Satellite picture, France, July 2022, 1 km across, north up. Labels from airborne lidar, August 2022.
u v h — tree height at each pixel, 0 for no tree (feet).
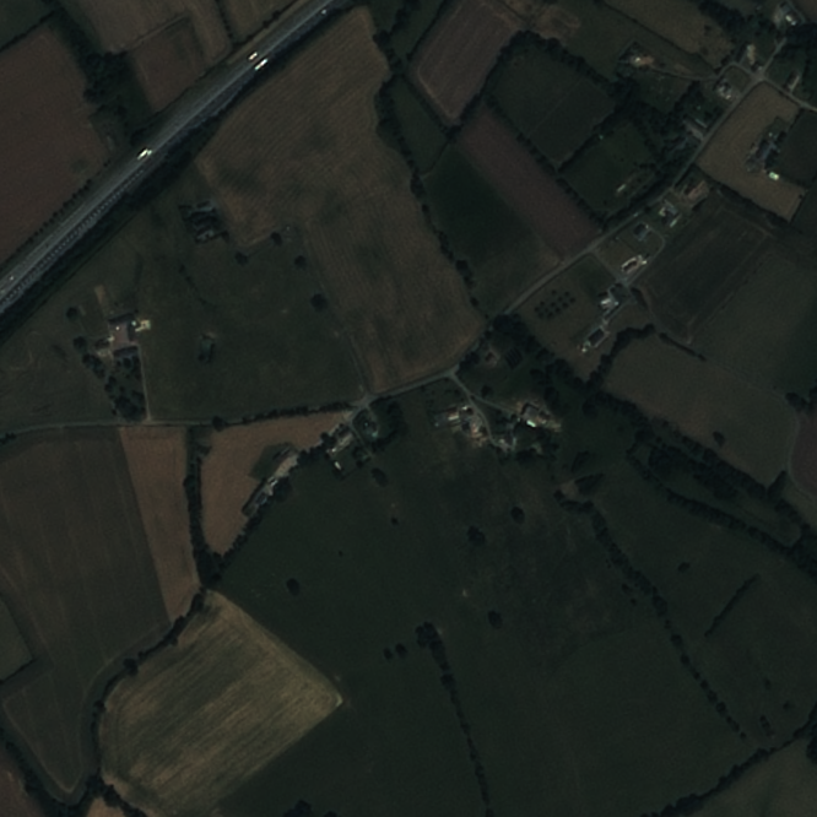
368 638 0
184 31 0
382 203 0
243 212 0
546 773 0
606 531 37
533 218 0
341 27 0
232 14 0
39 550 0
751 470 0
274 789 0
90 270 0
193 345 0
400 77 28
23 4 0
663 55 0
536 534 0
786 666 0
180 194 0
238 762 0
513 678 0
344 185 0
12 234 0
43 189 0
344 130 0
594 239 0
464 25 0
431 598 0
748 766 23
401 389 0
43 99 0
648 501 0
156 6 0
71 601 0
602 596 0
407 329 0
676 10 0
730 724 36
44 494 0
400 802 0
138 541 0
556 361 22
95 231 20
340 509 0
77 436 0
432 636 41
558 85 0
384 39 61
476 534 53
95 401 0
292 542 0
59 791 0
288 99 0
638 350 0
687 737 0
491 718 0
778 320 0
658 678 0
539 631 0
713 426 0
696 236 0
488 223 0
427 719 0
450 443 0
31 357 0
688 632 0
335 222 0
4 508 0
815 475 0
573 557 0
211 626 0
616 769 0
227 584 0
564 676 0
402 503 0
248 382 0
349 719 0
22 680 0
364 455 21
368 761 0
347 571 0
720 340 0
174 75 0
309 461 49
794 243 0
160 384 0
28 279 0
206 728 0
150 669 0
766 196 0
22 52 0
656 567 0
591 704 0
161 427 0
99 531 0
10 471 0
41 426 0
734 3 0
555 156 0
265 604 0
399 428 29
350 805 0
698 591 0
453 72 0
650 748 0
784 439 0
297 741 0
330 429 0
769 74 0
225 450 0
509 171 0
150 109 0
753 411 0
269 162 0
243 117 0
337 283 0
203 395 0
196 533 37
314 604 0
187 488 30
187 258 0
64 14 35
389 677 0
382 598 0
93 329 0
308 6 0
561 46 56
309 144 0
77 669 0
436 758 0
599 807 0
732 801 0
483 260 0
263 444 0
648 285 0
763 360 0
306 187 0
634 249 0
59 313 0
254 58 0
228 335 0
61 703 0
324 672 0
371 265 0
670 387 0
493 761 0
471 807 0
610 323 0
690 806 56
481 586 0
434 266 0
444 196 0
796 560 31
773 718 0
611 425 0
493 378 0
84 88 0
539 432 29
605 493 0
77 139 0
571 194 41
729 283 0
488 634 0
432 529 0
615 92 42
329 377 0
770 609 0
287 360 0
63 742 0
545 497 0
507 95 0
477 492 0
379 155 0
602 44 0
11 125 0
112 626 0
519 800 0
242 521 0
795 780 0
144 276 0
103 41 0
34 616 0
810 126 0
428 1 0
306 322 0
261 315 0
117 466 0
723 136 0
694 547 0
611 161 0
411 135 0
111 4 0
